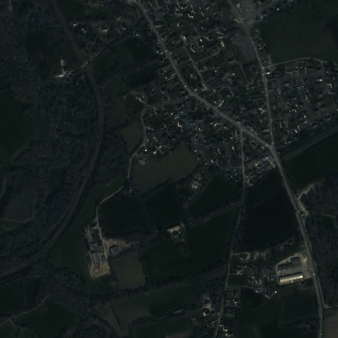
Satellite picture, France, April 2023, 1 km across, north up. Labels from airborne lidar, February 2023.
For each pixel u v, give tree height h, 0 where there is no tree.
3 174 14
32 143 15
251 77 13
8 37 24
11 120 0
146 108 0
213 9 0
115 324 0
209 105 0
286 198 0
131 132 0
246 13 0
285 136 0
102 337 20
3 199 0
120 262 0
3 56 19
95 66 0
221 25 12
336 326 0
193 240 0
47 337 0
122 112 0
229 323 0
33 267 21
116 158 5
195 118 6
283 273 0
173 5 7
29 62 17
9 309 0
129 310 0
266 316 0
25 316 0
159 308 0
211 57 0
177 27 0
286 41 0
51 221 22
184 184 17
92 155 19
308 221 19
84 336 20
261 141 0
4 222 0
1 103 0
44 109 16
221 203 0
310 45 0
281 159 18
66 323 0
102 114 0
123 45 0
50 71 11
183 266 0
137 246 14
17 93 18
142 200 10
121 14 16
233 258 7
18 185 20
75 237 0
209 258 0
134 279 0
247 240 0
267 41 0
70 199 19
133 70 13
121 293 16
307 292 0
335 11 0
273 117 0
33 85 28
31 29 12
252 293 0
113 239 10
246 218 0
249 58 0
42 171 15
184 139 16
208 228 0
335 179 26
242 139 0
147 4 0
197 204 0
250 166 0
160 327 0
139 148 12
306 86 0
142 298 0
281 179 12
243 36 0
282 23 0
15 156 0
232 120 0
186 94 7
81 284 32
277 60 0
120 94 12
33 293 0
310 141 27
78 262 0
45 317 0
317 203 29
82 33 11
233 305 0
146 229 0
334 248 31
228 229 0
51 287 24
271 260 6
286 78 0
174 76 0
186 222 16
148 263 0
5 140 0
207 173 15
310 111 0
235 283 0
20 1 0
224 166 0
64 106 14
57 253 0
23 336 0
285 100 0
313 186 0
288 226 0
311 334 0
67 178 26
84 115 14
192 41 0
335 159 0
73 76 0
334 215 20
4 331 0
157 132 0
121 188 0
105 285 0
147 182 0
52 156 12
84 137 15
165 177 0
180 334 0
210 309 0
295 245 0
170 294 0
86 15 0
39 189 23
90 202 0
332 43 0
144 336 0
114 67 15
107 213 0
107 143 15
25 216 30
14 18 10
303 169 0
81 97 16
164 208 0
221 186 0
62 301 22
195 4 0
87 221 0
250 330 0
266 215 0
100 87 15
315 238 29
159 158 12
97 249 0
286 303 0
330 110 0
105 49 13
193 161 0
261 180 8
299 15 0
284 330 0
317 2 0
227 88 0
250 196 0
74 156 20
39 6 21
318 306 14
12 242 10
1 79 0
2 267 20
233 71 10
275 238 0
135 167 0
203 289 0
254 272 0
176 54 0
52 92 15
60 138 18
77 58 0
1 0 24
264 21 10
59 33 0
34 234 13
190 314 10
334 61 0
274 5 0
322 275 15
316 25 0
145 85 9
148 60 10
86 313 18
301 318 0
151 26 0
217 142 7
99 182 18
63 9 0
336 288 14
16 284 0
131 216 0
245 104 9
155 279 0
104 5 14
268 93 0
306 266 0
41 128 19
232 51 0
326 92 0
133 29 12
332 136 10
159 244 0
